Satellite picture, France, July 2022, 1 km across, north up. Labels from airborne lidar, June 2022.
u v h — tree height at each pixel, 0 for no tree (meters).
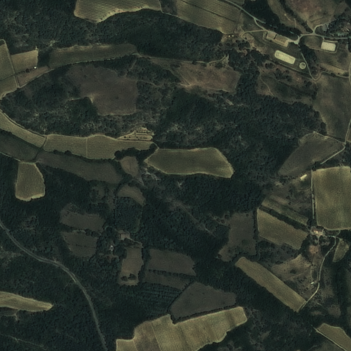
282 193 0
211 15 0
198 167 0
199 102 10
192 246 19
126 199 17
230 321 0
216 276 9
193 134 7
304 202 0
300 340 9
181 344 0
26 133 0
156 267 0
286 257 0
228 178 6
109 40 6
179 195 9
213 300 0
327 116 0
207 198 9
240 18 0
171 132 9
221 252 0
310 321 12
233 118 7
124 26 8
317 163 10
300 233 0
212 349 8
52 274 7
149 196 13
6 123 0
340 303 10
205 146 8
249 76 8
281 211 0
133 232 14
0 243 10
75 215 0
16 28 7
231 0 0
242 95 13
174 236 9
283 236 0
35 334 8
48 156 0
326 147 0
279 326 7
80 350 14
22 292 10
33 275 9
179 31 13
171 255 0
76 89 8
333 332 0
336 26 14
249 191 8
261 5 10
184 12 0
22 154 0
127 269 0
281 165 9
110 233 11
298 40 0
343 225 0
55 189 9
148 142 0
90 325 12
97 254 10
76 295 9
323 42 0
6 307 8
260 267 0
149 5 0
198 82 0
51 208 7
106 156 0
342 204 0
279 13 0
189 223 13
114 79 0
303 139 0
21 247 0
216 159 0
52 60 0
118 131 7
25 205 8
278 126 9
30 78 0
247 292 11
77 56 0
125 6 0
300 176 0
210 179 7
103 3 0
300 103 9
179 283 0
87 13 0
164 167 0
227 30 0
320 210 0
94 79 0
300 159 0
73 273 7
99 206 10
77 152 0
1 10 9
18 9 6
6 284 8
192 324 0
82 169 0
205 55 10
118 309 7
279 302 11
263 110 14
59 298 7
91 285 9
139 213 19
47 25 10
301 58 0
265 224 0
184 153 0
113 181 0
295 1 0
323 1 0
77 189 11
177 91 8
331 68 0
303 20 0
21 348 6
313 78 0
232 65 7
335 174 0
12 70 0
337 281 15
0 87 0
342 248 0
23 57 0
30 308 0
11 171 9
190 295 0
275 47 0
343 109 0
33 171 0
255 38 0
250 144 5
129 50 0
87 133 7
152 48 10
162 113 7
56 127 13
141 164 7
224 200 9
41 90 6
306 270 0
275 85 0
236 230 0
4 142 0
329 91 0
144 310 8
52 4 6
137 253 0
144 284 10
